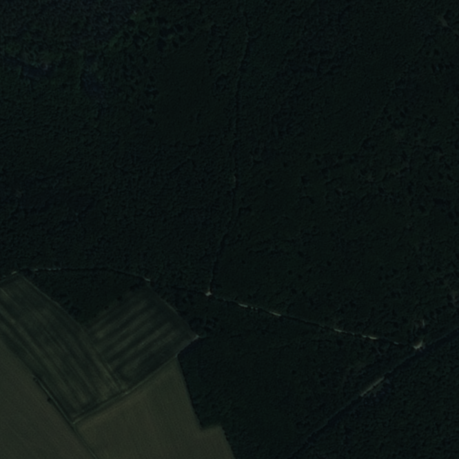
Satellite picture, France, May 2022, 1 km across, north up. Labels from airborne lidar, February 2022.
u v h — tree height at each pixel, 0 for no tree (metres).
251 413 19
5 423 0
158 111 16
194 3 20
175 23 17
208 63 15
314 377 10
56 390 0
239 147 20
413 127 14
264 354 15
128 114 17
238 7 22
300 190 11
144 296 0
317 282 10
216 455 0
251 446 16
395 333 11
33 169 21
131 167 25
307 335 12
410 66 18
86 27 25
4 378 0
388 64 18
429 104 18
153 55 15
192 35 13
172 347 0
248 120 24
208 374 23
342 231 11
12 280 0
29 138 27
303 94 19
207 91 14
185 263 24
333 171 11
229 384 24
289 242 12
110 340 0
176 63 11
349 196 12
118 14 23
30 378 0
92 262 19
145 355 0
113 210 27
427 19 21
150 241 22
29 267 19
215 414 20
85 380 0
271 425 18
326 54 19
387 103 13
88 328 0
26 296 0
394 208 10
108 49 21
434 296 9
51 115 25
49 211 19
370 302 10
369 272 13
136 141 21
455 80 12
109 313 0
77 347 0
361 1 22
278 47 19
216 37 15
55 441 0
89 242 20
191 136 16
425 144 11
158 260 25
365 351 9
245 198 14
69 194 18
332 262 9
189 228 25
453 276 14
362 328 12
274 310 10
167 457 0
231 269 14
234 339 18
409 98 20
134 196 25
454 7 19
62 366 0
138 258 24
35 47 28
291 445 22
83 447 0
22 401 0
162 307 0
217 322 19
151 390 0
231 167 22
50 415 0
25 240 24
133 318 0
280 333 17
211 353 21
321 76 20
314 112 21
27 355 0
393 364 21
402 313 7
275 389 16
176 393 0
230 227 15
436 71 31
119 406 0
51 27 30
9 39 28
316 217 12
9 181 17
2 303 0
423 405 29
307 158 25
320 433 21
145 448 0
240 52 22
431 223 7
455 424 27
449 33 16
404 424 24
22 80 25
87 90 36
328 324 9
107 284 11
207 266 20
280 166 16
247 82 19
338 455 23
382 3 24
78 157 24
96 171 28
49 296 8
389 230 10
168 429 0
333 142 19
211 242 24
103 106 14
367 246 8
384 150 10
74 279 7
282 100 18
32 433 0
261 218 12
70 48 20
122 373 0
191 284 23
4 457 0
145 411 0
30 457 0
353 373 11
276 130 15
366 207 9
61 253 19
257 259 13
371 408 24
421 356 23
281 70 22
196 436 0
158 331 0
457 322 12
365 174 24
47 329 0
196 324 25
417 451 27
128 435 0
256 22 21
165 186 26
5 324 0
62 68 20
